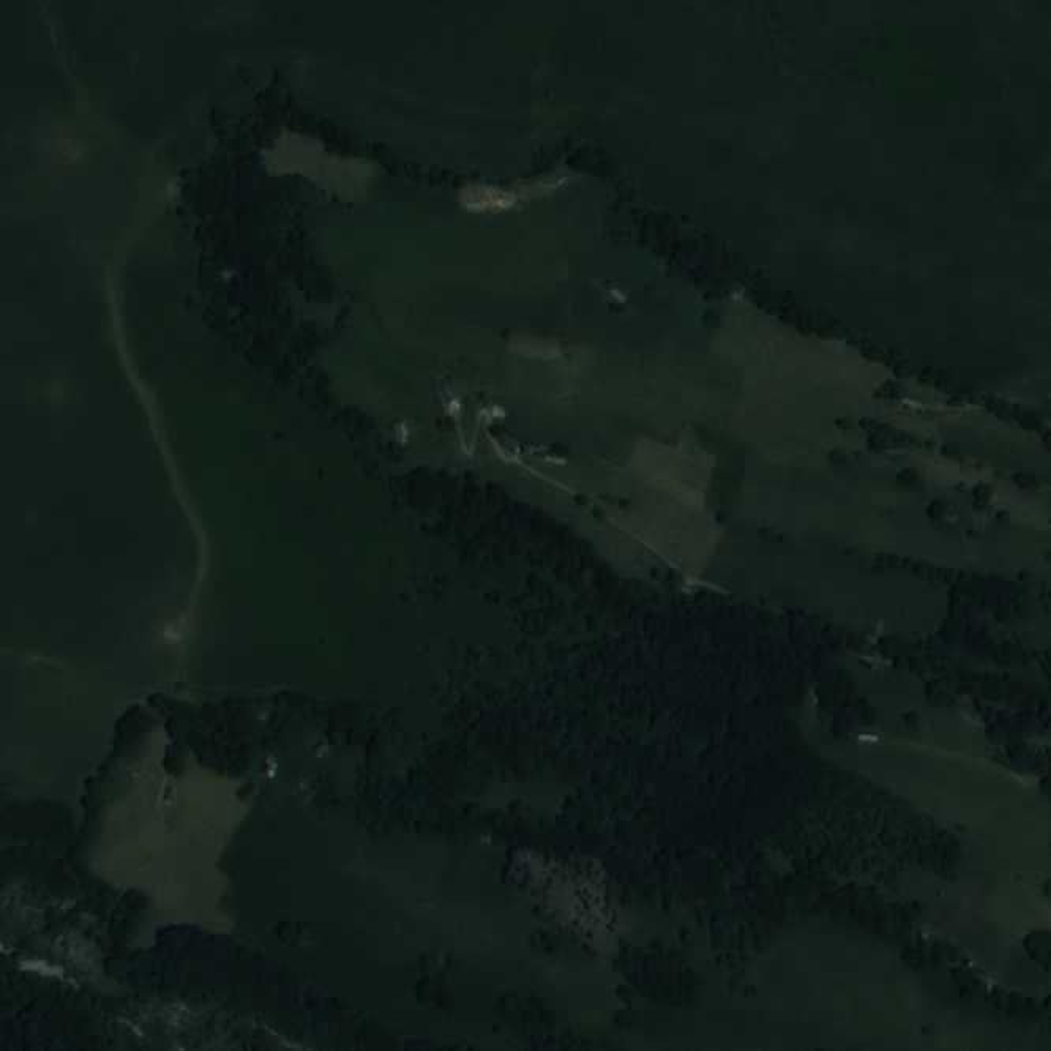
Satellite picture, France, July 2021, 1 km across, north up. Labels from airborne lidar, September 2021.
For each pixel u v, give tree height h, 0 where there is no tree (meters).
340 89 0
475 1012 0
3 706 0
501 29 0
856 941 0
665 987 26
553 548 10
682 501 0
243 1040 15
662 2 0
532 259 0
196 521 0
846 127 0
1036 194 0
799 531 0
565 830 19
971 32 0
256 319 26
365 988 0
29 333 0
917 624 0
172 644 0
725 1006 0
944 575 17
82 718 0
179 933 21
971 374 0
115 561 0
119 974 18
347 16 0
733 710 24
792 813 21
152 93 0
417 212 0
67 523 0
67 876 7
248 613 0
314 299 17
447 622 0
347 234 0
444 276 0
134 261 0
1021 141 0
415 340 0
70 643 0
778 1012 0
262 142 27
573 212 0
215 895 0
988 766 0
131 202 0
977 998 8
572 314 0
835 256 0
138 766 0
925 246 0
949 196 0
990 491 16
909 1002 0
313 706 10
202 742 16
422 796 22
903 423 0
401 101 0
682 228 22
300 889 0
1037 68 0
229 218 29
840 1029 0
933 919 0
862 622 0
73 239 0
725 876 34
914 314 0
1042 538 0
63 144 0
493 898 0
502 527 19
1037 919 0
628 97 0
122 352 0
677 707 18
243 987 18
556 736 21
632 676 21
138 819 0
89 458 0
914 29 0
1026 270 0
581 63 0
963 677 16
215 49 0
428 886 0
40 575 0
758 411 0
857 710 22
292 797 0
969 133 0
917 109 0
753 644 22
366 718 25
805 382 0
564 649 8
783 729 28
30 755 0
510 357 0
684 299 0
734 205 0
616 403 0
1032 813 0
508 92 0
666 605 21
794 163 0
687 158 0
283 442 12
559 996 0
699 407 0
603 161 18
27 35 0
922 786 0
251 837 0
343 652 0
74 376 0
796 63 0
